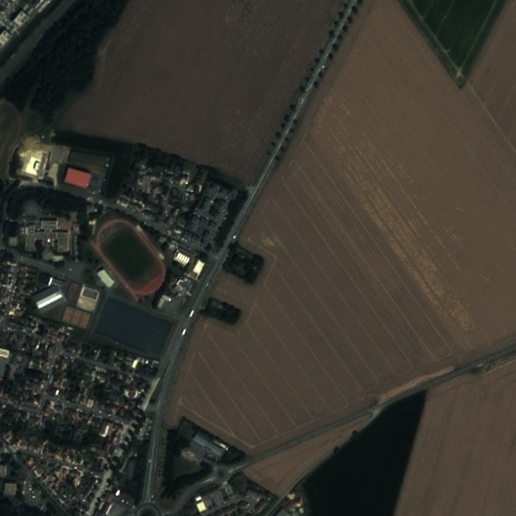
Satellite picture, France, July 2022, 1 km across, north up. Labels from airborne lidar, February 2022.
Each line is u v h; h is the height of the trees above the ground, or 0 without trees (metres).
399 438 0
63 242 0
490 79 0
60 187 0
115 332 0
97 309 0
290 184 0
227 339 0
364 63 0
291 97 0
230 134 0
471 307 0
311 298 0
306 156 0
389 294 0
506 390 0
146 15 0
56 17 0
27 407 0
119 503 0
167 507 0
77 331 0
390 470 0
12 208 18
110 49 0
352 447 0
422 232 0
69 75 22
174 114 0
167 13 0
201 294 0
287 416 0
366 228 0
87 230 5
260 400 0
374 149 0
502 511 0
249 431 0
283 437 0
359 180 0
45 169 0
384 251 0
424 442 0
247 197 7
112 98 0
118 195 0
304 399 0
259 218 0
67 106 0
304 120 0
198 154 0
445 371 0
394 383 0
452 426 0
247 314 0
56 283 0
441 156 0
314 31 0
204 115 0
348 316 0
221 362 0
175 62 0
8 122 0
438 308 0
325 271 0
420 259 0
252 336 0
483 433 0
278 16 0
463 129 0
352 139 0
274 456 0
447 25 0
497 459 0
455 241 0
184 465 0
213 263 0
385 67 0
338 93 0
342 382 0
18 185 6
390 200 0
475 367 0
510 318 0
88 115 0
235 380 0
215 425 0
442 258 0
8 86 7
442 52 0
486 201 0
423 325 0
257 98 0
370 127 0
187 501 0
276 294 0
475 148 0
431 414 0
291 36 0
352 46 0
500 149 0
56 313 0
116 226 0
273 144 7
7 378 6
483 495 0
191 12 0
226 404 0
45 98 21
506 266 0
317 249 0
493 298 0
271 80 0
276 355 0
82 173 0
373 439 0
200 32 0
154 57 0
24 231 0
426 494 0
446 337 0
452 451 0
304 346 0
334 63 0
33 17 0
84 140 0
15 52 0
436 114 0
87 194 0
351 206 0
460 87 0
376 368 0
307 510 0
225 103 0
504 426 0
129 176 7
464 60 0
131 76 0
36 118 0
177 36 0
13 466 13
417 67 0
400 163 0
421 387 0
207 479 0
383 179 0
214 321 0
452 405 0
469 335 0
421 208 0
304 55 0
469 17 0
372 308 0
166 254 0
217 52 0
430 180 0
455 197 0
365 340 0
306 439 0
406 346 0
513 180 0
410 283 0
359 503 0
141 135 0
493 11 0
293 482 0
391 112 0
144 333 0
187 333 0
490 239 0
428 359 0
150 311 0
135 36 0
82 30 19
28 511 27
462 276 0
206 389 0
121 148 0
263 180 0
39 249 13
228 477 0
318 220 0
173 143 0
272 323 0
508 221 0
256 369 0
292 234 0
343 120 0
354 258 0
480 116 0
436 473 0
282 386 0
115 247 0
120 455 0
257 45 0
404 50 0
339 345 0
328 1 0
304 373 0
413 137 0
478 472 0
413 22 0
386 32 0
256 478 0
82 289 0
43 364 0
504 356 0
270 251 0
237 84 0
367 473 0
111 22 13
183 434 0
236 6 0
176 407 0
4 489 0
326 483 0
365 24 0
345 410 0
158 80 0
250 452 0
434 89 0
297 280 0
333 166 0
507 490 0
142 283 0
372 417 0
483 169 0
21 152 0
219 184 11
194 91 0
